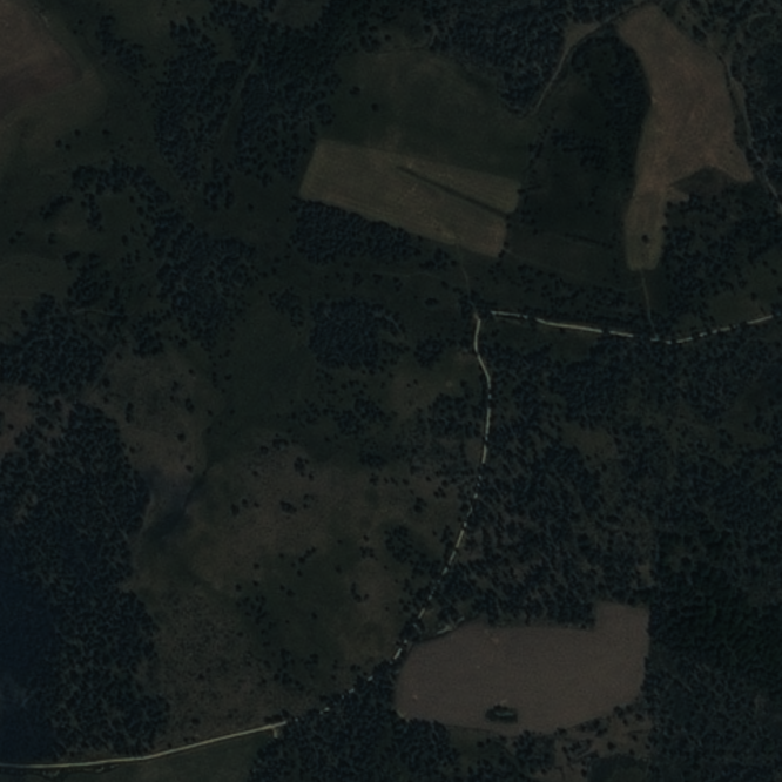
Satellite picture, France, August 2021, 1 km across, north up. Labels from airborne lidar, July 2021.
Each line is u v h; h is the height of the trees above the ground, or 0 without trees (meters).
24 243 0
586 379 12
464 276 0
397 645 6
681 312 12
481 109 0
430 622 0
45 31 0
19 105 0
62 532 12
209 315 13
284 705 0
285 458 0
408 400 0
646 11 0
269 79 13
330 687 0
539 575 13
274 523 0
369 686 13
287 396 0
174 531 0
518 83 12
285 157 10
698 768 14
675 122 0
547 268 0
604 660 0
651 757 0
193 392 0
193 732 0
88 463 19
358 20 7
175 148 13
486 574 17
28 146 0
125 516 17
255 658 0
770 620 15
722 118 0
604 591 8
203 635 0
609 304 9
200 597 0
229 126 0
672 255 10
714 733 5
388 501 0
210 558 0
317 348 16
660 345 9
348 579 0
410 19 0
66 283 0
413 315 0
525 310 7
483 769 6
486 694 0
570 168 0
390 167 0
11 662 18
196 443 0
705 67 0
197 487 0
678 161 0
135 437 0
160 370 0
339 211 9
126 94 0
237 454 0
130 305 0
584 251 0
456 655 0
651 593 14
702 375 10
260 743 0
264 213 0
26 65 0
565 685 0
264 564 0
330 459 0
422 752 18
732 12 12
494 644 0
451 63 0
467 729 0
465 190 0
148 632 16
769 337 0
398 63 0
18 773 0
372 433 0
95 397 0
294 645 0
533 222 7
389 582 0
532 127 0
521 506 16
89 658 14
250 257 14
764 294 0
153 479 0
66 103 0
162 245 13
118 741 17
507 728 0
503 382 8
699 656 16
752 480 14
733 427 0
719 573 7
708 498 19
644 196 0
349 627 0
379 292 0
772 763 6
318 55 13
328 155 0
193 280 14
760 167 14
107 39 9
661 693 11
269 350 0
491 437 7
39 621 13
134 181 9
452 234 0
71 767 0
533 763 16
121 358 10
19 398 0
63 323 9
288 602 0
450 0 6
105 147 0
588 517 10
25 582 15
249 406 0
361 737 14
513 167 0
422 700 0
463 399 7
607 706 0
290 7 0
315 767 21
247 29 11
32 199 0
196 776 0
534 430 18
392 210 0
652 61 0
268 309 0
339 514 0
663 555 14
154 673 0
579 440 0
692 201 8
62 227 0
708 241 10
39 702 15
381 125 0
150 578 0
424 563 6
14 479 13
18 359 15
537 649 0
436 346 14
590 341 0
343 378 0
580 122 0
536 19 11
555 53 11
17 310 0
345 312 14
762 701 0
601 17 16
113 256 0
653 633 17
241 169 11
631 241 0
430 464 0
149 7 0
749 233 9
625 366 11
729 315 0
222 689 0
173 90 6
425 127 0
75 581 13
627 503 10
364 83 0
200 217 0
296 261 0
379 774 6
